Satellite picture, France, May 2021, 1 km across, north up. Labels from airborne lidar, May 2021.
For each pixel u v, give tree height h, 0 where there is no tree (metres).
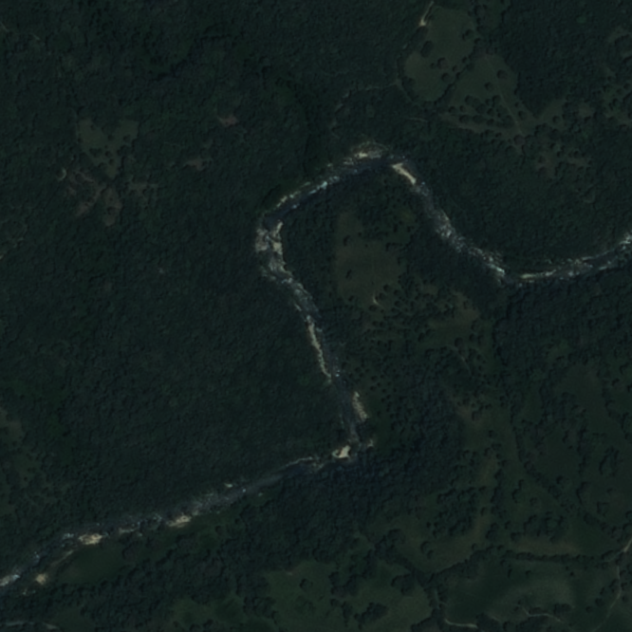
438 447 14
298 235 8
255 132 12
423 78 0
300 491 14
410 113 10
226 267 16
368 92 9
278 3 15
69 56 20
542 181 13
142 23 15
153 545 17
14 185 8
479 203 6
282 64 11
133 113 8
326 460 22
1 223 8
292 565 9
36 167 10
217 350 14
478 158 8
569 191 9
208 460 7
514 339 14
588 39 15
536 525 11
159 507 15
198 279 9
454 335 0
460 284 13
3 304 9
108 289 13
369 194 9
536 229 8
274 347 12
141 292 8
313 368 12
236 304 9
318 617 0
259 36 12
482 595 0
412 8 10
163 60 22
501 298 20
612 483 0
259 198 9
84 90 19
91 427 9
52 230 11
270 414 12
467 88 0
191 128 8
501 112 12
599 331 15
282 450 11
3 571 7
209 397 15
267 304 7
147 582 12
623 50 12
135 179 10
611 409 10
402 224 9
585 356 7
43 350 14
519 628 8
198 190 10
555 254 9
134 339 7
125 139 7
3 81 14
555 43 10
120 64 16
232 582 13
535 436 9
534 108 11
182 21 13
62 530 16
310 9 11
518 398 9
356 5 9
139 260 7
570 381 0
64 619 0
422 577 11
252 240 8
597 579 0
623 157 7
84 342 8
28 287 7
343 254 0
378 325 10
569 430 11
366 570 7
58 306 9
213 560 7
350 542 9
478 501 8
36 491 8
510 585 0
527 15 12
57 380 7
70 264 8
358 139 8
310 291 8
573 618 0
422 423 11
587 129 14
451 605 0
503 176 11
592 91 13
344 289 0
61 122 14
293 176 10
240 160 8
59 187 8
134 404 11
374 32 6
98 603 14
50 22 15
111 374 9
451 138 19
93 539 0
